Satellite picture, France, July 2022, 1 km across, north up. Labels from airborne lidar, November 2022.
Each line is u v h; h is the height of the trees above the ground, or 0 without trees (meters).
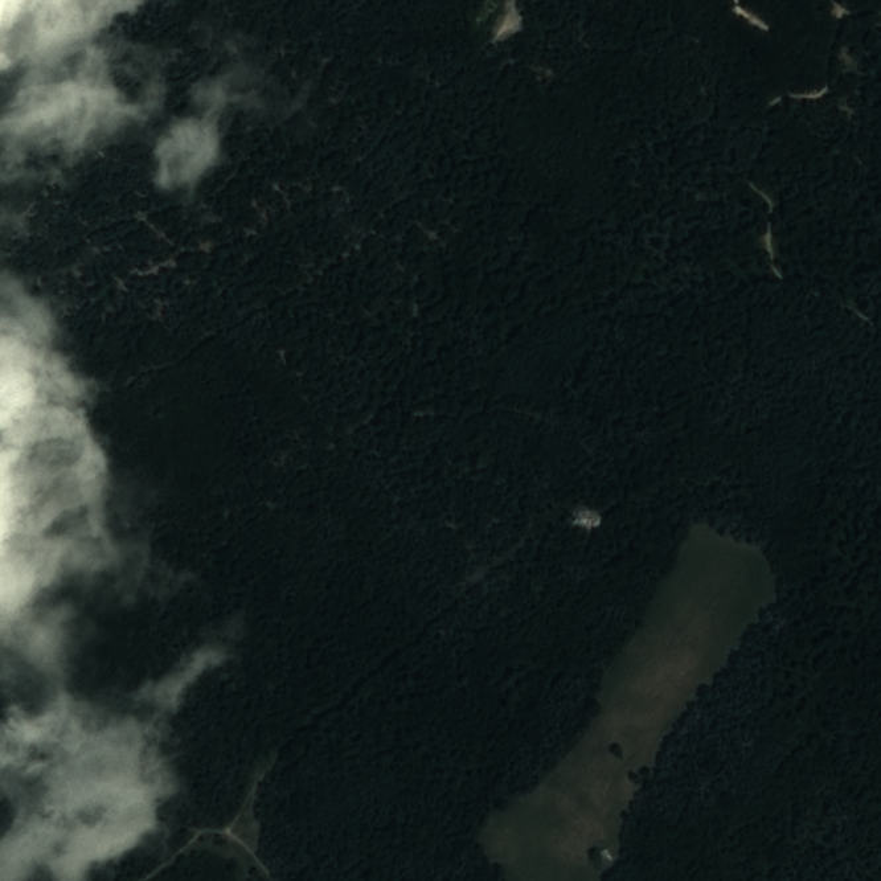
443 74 15
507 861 0
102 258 24
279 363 11
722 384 20
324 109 18
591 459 16
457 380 23
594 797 0
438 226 14
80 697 15
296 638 17
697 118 22
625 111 21
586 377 24
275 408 18
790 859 16
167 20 23
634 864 15
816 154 14
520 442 14
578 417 18
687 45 18
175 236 23
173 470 11
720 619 0
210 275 22
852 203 23
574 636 10
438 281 8
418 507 14
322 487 8
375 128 23
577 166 9
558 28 17
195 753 18
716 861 7
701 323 20
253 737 11
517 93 21
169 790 13
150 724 12
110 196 24
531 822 0
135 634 17
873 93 26
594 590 12
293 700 19
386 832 16
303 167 19
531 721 7
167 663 13
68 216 21
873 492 21
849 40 30
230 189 18
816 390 22
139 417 12
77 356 18
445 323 15
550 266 21
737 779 11
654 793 13
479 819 11
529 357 15
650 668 0
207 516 16
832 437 15
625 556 25
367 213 13
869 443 15
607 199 15
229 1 14
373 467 12
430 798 15
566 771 0
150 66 21
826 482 18
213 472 16
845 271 9
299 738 21
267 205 16
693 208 24
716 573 0
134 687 14
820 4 25
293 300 19
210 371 21
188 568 16
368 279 17
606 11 16
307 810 16
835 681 7
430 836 15
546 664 7
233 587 16
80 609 16
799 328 20
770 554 12
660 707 0
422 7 22
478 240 9
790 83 24
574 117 14
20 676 12
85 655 20
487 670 10
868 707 10
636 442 21
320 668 15
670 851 8
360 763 15
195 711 17
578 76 10
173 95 9
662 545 19
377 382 22
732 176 22
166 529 20
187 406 12
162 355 13
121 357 13
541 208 22
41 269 17
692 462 14
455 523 14
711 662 0
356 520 13
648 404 19
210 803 10
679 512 17
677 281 20
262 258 22
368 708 18
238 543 19
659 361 19
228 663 17
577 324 18
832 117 19
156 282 28
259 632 18
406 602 17
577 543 10
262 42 21
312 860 9
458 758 13
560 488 8
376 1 19
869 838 9
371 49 14
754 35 22
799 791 13
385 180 18
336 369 17
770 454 9
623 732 0
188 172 17
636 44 16
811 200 25
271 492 18
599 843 0
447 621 12
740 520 15
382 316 19
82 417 15
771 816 9
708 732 12
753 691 24
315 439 18
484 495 13
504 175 25
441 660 13
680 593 0
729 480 20
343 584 11
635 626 13
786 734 12
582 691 20
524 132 9
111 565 18
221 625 16
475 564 11
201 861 11
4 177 18
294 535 15
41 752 14
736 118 21
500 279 29
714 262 26
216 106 12
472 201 7
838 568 27
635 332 22
